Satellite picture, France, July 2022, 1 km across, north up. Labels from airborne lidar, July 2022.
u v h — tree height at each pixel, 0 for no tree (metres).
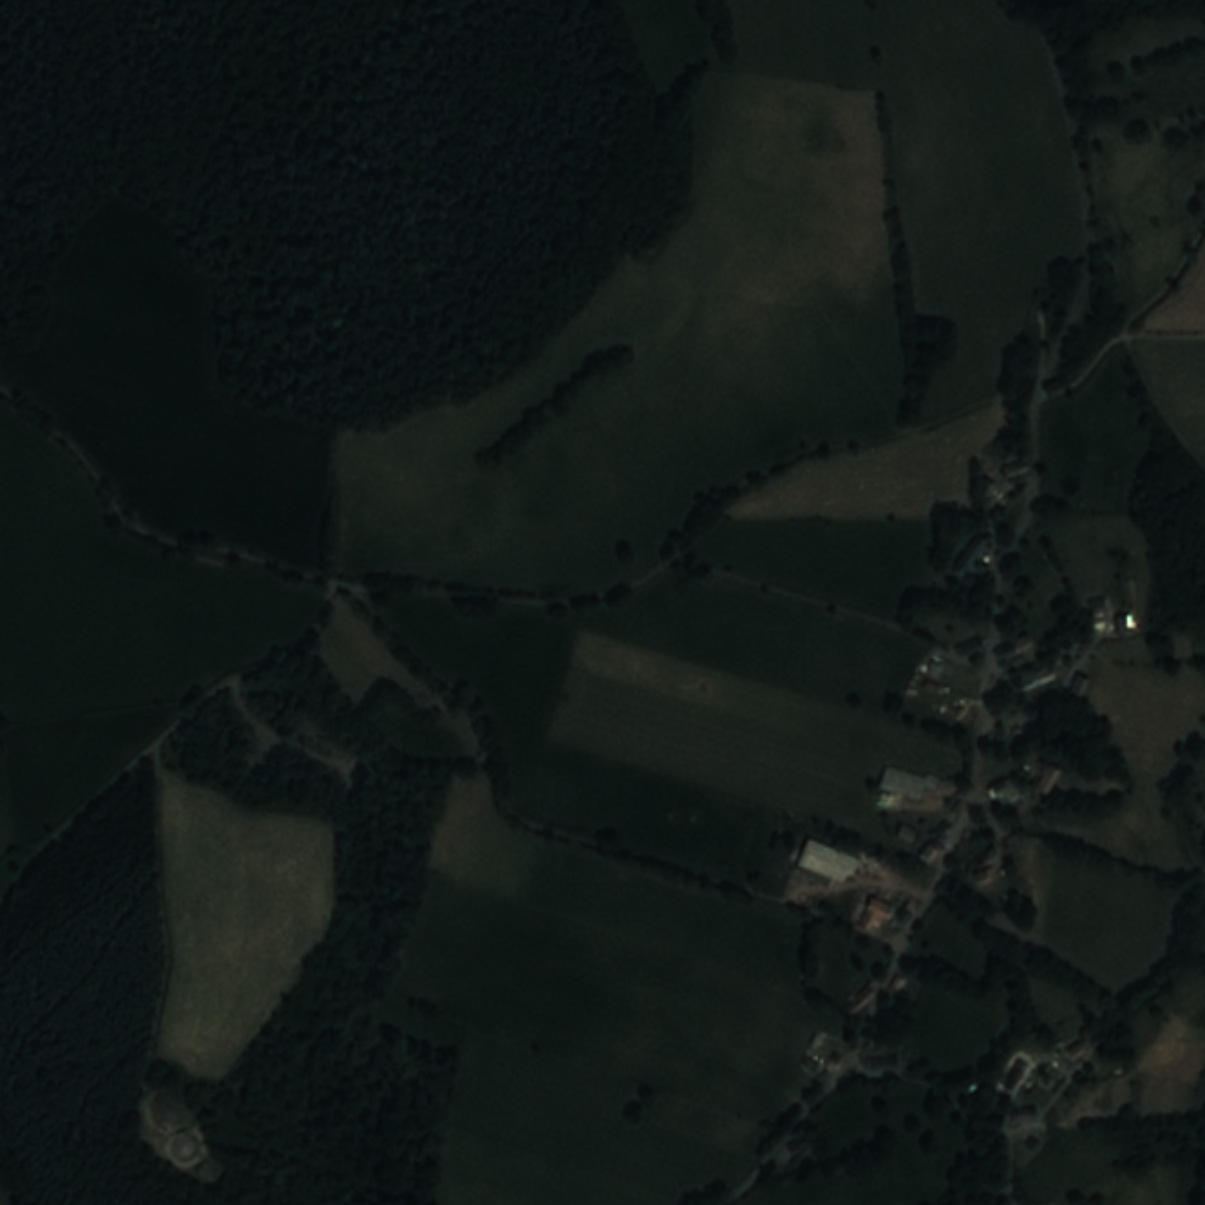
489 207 24
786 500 0
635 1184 0
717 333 0
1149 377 0
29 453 0
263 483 0
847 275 0
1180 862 0
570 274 27
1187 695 0
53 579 0
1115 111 16
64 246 18
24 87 21
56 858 15
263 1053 15
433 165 16
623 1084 0
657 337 0
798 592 0
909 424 12
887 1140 16
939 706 0
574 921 0
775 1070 0
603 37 12
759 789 0
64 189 24
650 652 0
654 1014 0
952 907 21
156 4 10
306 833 0
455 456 0
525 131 12
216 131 15
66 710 0
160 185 20
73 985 17
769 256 0
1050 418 0
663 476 0
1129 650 0
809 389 0
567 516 0
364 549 0
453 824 0
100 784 0
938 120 0
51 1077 10
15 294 22
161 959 9
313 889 0
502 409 0
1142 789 0
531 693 0
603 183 25
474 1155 0
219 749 13
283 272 7
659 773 0
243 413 0
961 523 23
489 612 19
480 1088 0
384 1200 21
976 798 0
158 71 19
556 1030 0
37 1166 17
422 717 19
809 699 0
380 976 29
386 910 23
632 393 0
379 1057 20
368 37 9
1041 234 0
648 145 26
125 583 0
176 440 0
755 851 0
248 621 0
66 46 27
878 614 0
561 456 0
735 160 0
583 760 0
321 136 6
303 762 8
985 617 17
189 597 0
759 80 0
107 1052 14
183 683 0
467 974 0
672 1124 0
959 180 0
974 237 0
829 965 0
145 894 16
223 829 0
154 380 0
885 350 0
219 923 0
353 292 22
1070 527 0
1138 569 0
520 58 21
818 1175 6
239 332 22
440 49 20
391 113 19
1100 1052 13
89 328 0
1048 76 0
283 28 9
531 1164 0
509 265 27
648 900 0
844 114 0
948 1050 0
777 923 0
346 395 26
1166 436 7
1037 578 0
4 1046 18
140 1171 7
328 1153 22
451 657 0
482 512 0
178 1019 0
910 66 0
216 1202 8
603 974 0
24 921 14
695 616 0
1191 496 7
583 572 0
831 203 0
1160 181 0
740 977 0
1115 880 0
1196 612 6
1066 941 0
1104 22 10
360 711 12
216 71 17
